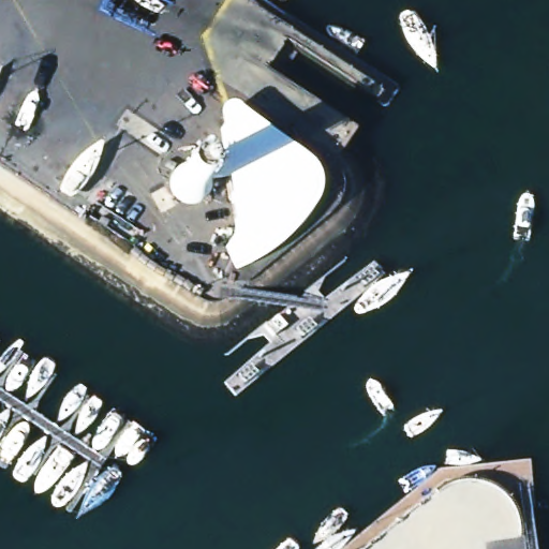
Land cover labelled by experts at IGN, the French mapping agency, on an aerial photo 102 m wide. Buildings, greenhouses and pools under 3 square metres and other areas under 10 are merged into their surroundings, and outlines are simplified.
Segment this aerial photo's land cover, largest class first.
<instances>
[{"label":"water","instance_id":"1","mask_svg":"<svg viewBox=\"0 0 549 549\"><path fill-rule=\"evenodd\" d=\"M262 9L272 13L277 19L294 26L296 30H300L315 43L324 45L328 51H332L347 64L356 66L360 73L375 79L371 86H362L360 81H347L345 77L322 66L317 60L305 56L292 43H283L281 51L270 62V69L275 73L283 75L298 88L307 90L309 94L317 97L320 101L337 109L347 122H356L358 129L345 144L343 154L352 163L356 187H362L367 193L371 184L382 178L384 202L369 229L356 242H352L339 257L330 268L324 270V275L313 285L307 287L311 296L320 292L328 294V307H298V313L287 315L285 320L277 315L242 339L234 335L223 341H197L169 328L150 309L142 307L122 290L103 281L92 266L64 253L62 247L45 240L24 221H17L0 210V549H343L345 543L352 538L354 530L362 532L403 495H410L418 483L425 485L427 474L433 468H442L444 461H448L452 465H463L470 470L478 457L483 461H532L534 510L540 549H549V0H253Z\"/></svg>","mask_w":549,"mask_h":549},{"label":"impervious surface","instance_id":"2","mask_svg":"<svg viewBox=\"0 0 549 549\"><path fill-rule=\"evenodd\" d=\"M223 0H0V210L17 221H24L45 240L62 247L64 253L92 266L103 281L122 290L142 307L150 309H159L163 305L176 317L187 320L199 328L227 326V313L238 309L242 302L283 307L277 315L285 320L287 315L298 313V307H328V294L320 292L311 296L307 287L313 285L324 275V270L330 268L339 257L326 259L320 249L328 238L345 232L341 223L350 214L347 204L343 202V193H337L328 184H324V193L317 206L290 238H285L266 255L253 259L251 264L236 268L227 249V242L236 234V217L232 214V199L227 191L229 178H210V182H206V191L199 195V202L189 204L176 197L172 189V176L187 161L182 157V146H195V139L219 135L223 131V101L217 92V77L210 69L202 32L210 26V19L219 11ZM343 549H540L534 510L532 461H483L478 457L470 470L463 465H452L448 461H444L442 468H433L427 474L425 485L418 483L410 495H403L362 532L354 530L352 538L345 543Z\"/></svg>","mask_w":549,"mask_h":549},{"label":"building","instance_id":"3","mask_svg":"<svg viewBox=\"0 0 549 549\"><path fill-rule=\"evenodd\" d=\"M210 69L217 77V92L223 101V131L219 135L195 139V146H182V157L187 161L172 176V189L176 197L189 204L199 202V195L206 191V182H210V178H229L227 191L232 199V214L236 217V234L227 242V249L236 268L251 264L253 259L266 255L285 238H290L317 206L324 193V184H328L337 193H343V202L347 204L356 197H365L367 193L362 187H356L352 163L343 154L345 144L358 129L356 122H347L337 109L320 101L317 97L309 94L307 90L298 88L283 75L275 73L270 69V62L281 51L283 43H292L305 56L317 60L322 66L345 77L347 81H360L362 86H371L375 79L360 73L356 66L347 64L332 51H328L324 45L315 43L300 30H296L294 26L277 19L272 13L262 9L253 0H223L219 11L210 19V26L202 32Z\"/></svg>","mask_w":549,"mask_h":549},{"label":"herbaceous vegetation","instance_id":"4","mask_svg":"<svg viewBox=\"0 0 549 549\"><path fill-rule=\"evenodd\" d=\"M384 202L382 178L371 184L367 193L365 197H356L347 204L350 214L341 223L345 232L328 238L320 249L326 259L339 257L352 242H356L369 229ZM283 307L242 302L238 309L227 313V326L199 328L187 320L176 317L163 305L159 309H150L169 328L197 341H223L234 335L242 339L277 315Z\"/></svg>","mask_w":549,"mask_h":549}]
</instances>
